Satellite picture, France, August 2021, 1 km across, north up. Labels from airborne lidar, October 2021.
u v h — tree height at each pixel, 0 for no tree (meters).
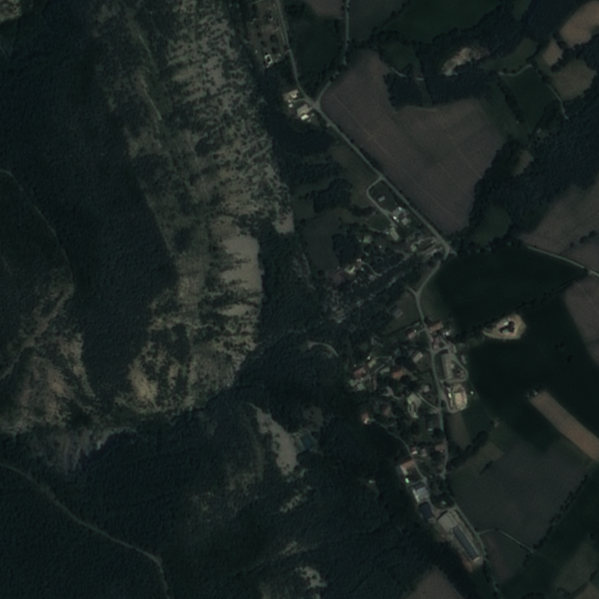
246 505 10
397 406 12
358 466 14
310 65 0
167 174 6
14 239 11
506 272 0
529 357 0
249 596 15
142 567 20
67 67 12
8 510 15
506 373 0
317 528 12
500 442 0
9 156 17
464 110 0
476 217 10
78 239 18
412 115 0
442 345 7
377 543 20
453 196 0
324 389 11
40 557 17
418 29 0
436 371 0
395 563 23
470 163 0
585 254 0
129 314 8
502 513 0
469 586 29
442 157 0
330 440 11
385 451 15
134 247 14
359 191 0
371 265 8
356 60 0
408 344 8
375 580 23
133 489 24
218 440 7
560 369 0
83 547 16
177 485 21
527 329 0
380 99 0
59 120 11
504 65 0
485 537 0
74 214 19
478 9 0
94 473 12
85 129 12
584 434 0
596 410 0
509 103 8
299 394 17
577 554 0
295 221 9
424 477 0
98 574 17
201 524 7
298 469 10
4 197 12
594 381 0
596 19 0
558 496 0
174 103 6
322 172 10
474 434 0
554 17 24
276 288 18
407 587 18
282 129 14
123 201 16
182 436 10
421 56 17
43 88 19
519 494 0
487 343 0
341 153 0
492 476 0
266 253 8
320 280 6
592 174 16
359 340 12
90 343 12
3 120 20
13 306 10
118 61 6
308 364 10
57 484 21
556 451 0
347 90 0
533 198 14
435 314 0
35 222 8
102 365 10
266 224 8
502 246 15
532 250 0
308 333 7
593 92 12
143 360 6
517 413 0
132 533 22
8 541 20
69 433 0
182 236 10
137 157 7
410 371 18
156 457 14
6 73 12
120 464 14
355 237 10
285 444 0
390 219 0
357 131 0
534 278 0
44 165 18
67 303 12
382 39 20
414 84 15
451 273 0
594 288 0
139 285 13
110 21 8
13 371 7
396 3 0
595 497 0
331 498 22
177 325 8
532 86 0
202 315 7
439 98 13
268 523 17
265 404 10
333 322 6
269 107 9
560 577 0
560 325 0
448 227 0
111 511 19
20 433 13
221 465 11
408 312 0
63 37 9
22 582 21
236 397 12
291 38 8
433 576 0
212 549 13
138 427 8
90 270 13
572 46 0
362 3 0
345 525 18
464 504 0
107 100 9
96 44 9
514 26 23
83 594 18
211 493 8
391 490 28
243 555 14
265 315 14
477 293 0
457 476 0
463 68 11
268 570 14
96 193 13
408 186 0
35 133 14
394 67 9
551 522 8
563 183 15
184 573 17
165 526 21
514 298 0
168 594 7
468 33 14
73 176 12
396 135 0
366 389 6
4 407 10
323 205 7
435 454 10
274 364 13
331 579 20
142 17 13
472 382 0
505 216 0
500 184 16
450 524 0
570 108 9
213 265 8
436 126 0
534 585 0
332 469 15
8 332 13
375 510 8
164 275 15
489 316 0
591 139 15
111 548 11
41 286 9
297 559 9
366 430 13
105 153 11
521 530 0
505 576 0
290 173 13
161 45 8
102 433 0
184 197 8
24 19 13
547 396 0
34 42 10
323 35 0
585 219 0
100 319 13
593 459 0
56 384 0
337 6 0
